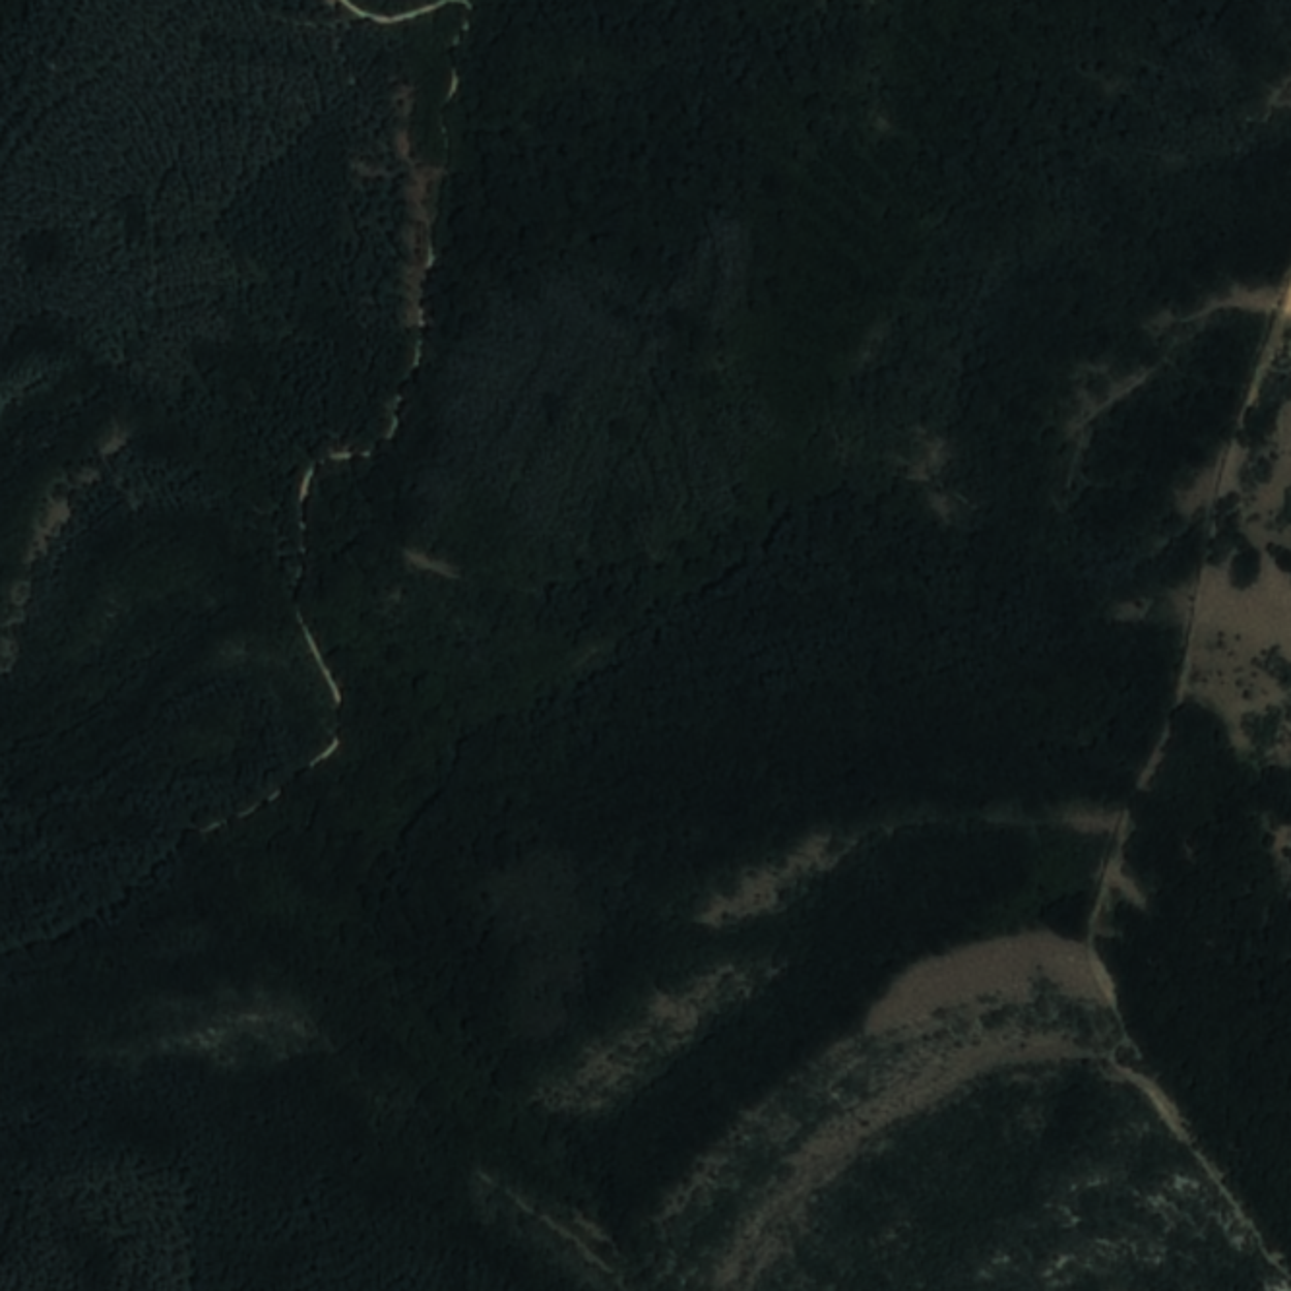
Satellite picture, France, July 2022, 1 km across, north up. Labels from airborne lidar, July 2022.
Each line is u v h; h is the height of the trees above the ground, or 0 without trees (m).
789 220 23
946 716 17
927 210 7
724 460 7
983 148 12
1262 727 6
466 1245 16
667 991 7
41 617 10
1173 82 12
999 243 7
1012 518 10
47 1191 17
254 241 22
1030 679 16
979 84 8
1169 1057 22
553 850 5
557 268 11
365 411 15
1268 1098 24
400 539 8
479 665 8
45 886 21
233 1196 22
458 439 13
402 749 20
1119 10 8
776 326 10
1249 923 24
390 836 8
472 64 17
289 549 16
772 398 9
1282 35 9
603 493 10
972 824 8
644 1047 8
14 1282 22
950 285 9
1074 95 7
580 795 14
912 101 14
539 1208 8
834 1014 10
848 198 14
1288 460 0
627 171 16
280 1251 21
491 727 14
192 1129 20
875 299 10
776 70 9
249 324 16
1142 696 10
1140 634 11
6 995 15
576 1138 12
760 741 17
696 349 16
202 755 7
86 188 18
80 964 10
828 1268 6
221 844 10
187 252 12
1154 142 9
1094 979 0
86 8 20
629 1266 6
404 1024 7
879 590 13
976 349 8
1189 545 10
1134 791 8
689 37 17
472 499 8
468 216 23
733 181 8
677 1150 12
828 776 8
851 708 19
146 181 14
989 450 6
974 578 14
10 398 10
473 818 14
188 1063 10
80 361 14
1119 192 12
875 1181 7
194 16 15
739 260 16
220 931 15
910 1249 7
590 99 19
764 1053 15
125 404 11
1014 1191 9
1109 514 13
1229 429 9
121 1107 17
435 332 21
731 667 15
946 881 12
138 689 10
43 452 13
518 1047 9
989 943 0
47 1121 16
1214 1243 7
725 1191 6
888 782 11
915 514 6
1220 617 0
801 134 7
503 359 9
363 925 9
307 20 8
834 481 8
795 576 15
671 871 8
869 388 12
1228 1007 15
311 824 11
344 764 9
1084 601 15
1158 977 15
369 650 8
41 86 14
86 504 10
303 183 20
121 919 25
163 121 14
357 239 11
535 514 11
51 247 14
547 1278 13
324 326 16
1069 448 6
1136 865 10
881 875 13
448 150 6
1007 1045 0
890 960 7
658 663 19
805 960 8
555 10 17
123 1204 21
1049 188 11
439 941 20
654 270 7
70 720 7
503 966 9
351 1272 26
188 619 14
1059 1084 6
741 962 6
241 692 16
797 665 23
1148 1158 7
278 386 21
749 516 7
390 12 12
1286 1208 21
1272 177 12
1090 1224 6
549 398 17
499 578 7
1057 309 13
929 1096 0
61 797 17
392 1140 24
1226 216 8
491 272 13
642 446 8
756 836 8
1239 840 23
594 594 18
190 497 21
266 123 17
